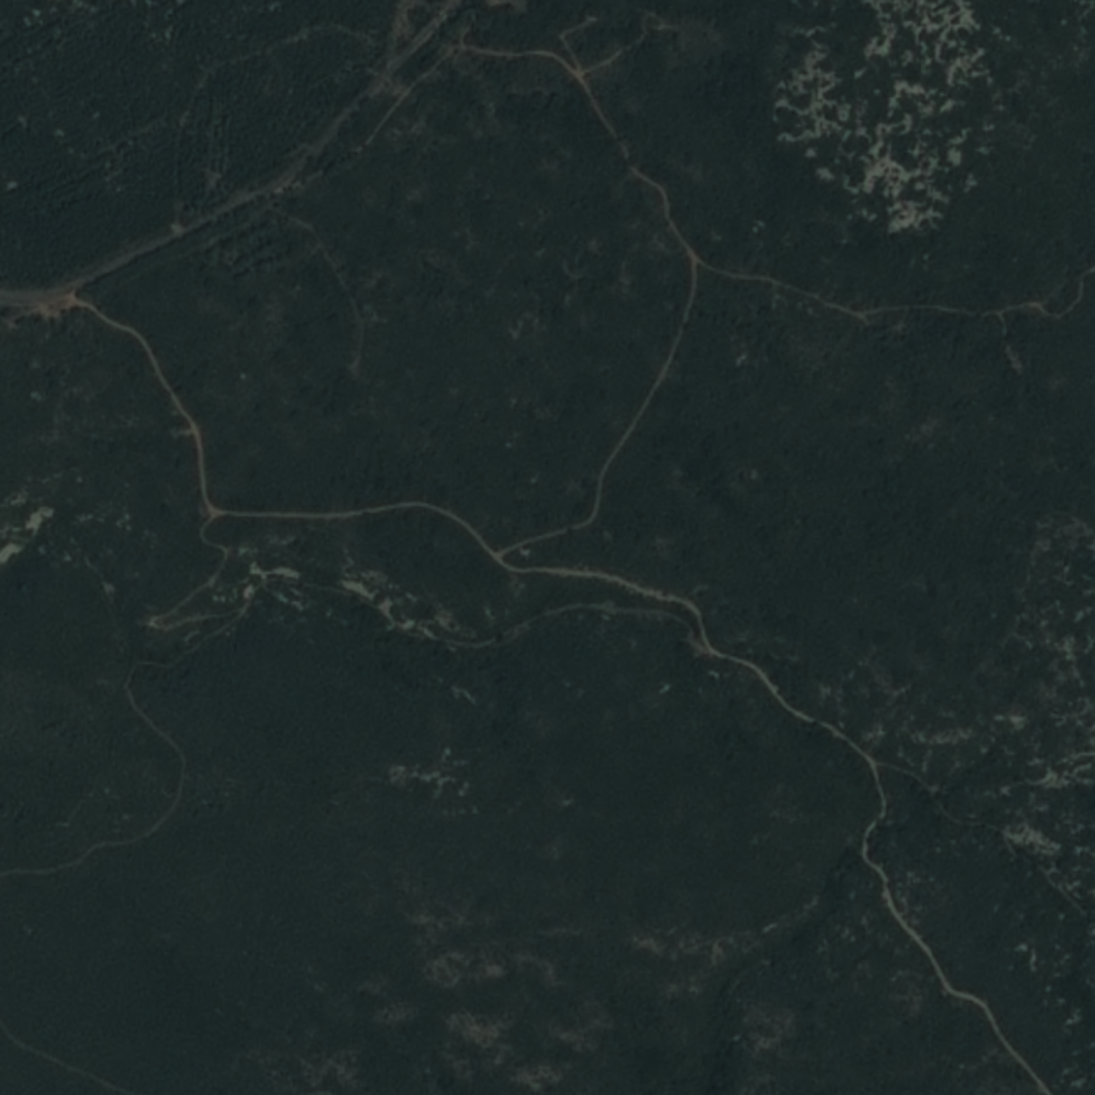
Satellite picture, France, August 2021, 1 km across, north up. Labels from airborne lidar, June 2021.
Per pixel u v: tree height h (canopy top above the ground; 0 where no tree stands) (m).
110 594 0
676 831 0
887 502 6
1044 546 0
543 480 0
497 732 6
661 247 0
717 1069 6
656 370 0
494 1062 0
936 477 0
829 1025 0
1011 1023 0
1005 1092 0
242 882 0
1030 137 0
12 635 0
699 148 0
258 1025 0
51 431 0
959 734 0
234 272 6
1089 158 6
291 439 0
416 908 0
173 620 0
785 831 0
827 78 0
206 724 0
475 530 0
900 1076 0
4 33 6
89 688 0
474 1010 0
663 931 0
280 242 5
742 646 5
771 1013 0
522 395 0
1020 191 7
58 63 6
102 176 6
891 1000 0
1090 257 6
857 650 0
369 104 7
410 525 6
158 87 6
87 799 0
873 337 8
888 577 0
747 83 7
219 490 0
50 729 6
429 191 0
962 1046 0
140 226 6
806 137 0
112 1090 0
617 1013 5
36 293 0
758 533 5
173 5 6
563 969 0
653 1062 6
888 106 0
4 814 9
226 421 0
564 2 7
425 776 0
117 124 7
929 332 7
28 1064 0
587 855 0
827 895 6
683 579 6
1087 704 0
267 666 0
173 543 0
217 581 0
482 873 0
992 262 6
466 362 0
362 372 0
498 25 6
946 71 0
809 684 0
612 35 5
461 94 6
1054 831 0
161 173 6
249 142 7
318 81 7
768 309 6
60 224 6
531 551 0
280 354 6
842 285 0
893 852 0
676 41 9
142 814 0
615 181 0
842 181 0
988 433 0
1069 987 8
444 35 11
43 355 0
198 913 0
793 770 0
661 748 0
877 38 0
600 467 0
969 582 0
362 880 0
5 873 0
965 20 0
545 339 0
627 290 0
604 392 6
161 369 0
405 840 0
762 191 5
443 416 0
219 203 11
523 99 5
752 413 0
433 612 7
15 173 7
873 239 6
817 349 0
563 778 0
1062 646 0
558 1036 0
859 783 5
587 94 6
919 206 0
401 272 0
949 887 0
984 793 0
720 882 0
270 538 0
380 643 8
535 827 0
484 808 0
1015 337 6
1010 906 6
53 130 6
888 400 0
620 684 0
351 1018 0
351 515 0
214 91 6
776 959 6
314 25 6
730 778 0
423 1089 0
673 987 0
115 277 7
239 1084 0
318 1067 0
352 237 0
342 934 0
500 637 7
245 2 6
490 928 0
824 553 5
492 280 0
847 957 0
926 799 8
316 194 0
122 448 6
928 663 0
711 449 7
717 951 0
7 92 5
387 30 6
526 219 0
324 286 5
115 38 6
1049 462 0
